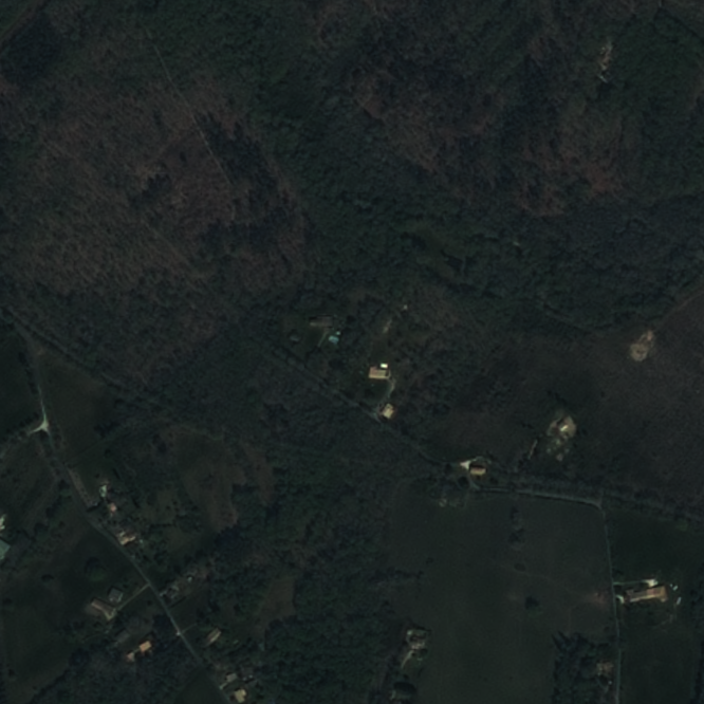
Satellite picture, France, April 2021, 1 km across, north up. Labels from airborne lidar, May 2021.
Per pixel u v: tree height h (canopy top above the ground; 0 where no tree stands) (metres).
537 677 0
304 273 14
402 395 11
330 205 21
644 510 14
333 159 16
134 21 15
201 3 26
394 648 0
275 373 10
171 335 13
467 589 0
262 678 21
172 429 8
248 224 11
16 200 21
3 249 16
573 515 0
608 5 14
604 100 16
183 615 0
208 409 15
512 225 15
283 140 18
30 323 11
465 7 14
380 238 23
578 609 0
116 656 18
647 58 23
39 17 12
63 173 16
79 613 0
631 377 0
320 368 15
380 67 11
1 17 19
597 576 0
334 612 13
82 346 16
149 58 10
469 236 19
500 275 16
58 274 10
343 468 17
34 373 12
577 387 0
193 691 0
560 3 16
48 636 0
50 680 0
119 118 8
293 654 18
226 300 22
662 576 0
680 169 23
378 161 9
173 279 16
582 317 20
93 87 10
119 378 17
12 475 10
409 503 0
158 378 17
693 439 0
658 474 0
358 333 10
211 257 16
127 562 0
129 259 15
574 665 16
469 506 0
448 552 0
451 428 0
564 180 12
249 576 17
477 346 16
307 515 22
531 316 6
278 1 21
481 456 0
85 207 9
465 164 16
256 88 13
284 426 13
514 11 21
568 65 16
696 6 12
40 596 0
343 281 27
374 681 15
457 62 14
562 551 0
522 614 0
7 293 29
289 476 20
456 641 0
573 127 13
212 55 13
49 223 16
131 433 7
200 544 0
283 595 0
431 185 33
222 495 0
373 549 22
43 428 0
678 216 21
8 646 0
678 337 0
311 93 10
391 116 10
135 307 17
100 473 0
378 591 16
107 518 7
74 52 14
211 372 16
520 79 16
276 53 23
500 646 0
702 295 0
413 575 9
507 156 22
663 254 17
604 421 0
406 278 17
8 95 6
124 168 14
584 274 20
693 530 8
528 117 29
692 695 0
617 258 21
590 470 0
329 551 6
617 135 7
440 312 18
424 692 0
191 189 7
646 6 18
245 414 16
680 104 21
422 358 9
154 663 19
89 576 10
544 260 16
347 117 10
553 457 0
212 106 10
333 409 8
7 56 10
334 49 21
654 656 0
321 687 19
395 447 18
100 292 7
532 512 0
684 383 0
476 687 0
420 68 8
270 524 18
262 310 21
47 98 16
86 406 0
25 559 13
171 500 0
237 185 17
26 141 12
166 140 12
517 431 0
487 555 0
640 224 13
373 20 10
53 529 6
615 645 13
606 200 15
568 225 14
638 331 0
